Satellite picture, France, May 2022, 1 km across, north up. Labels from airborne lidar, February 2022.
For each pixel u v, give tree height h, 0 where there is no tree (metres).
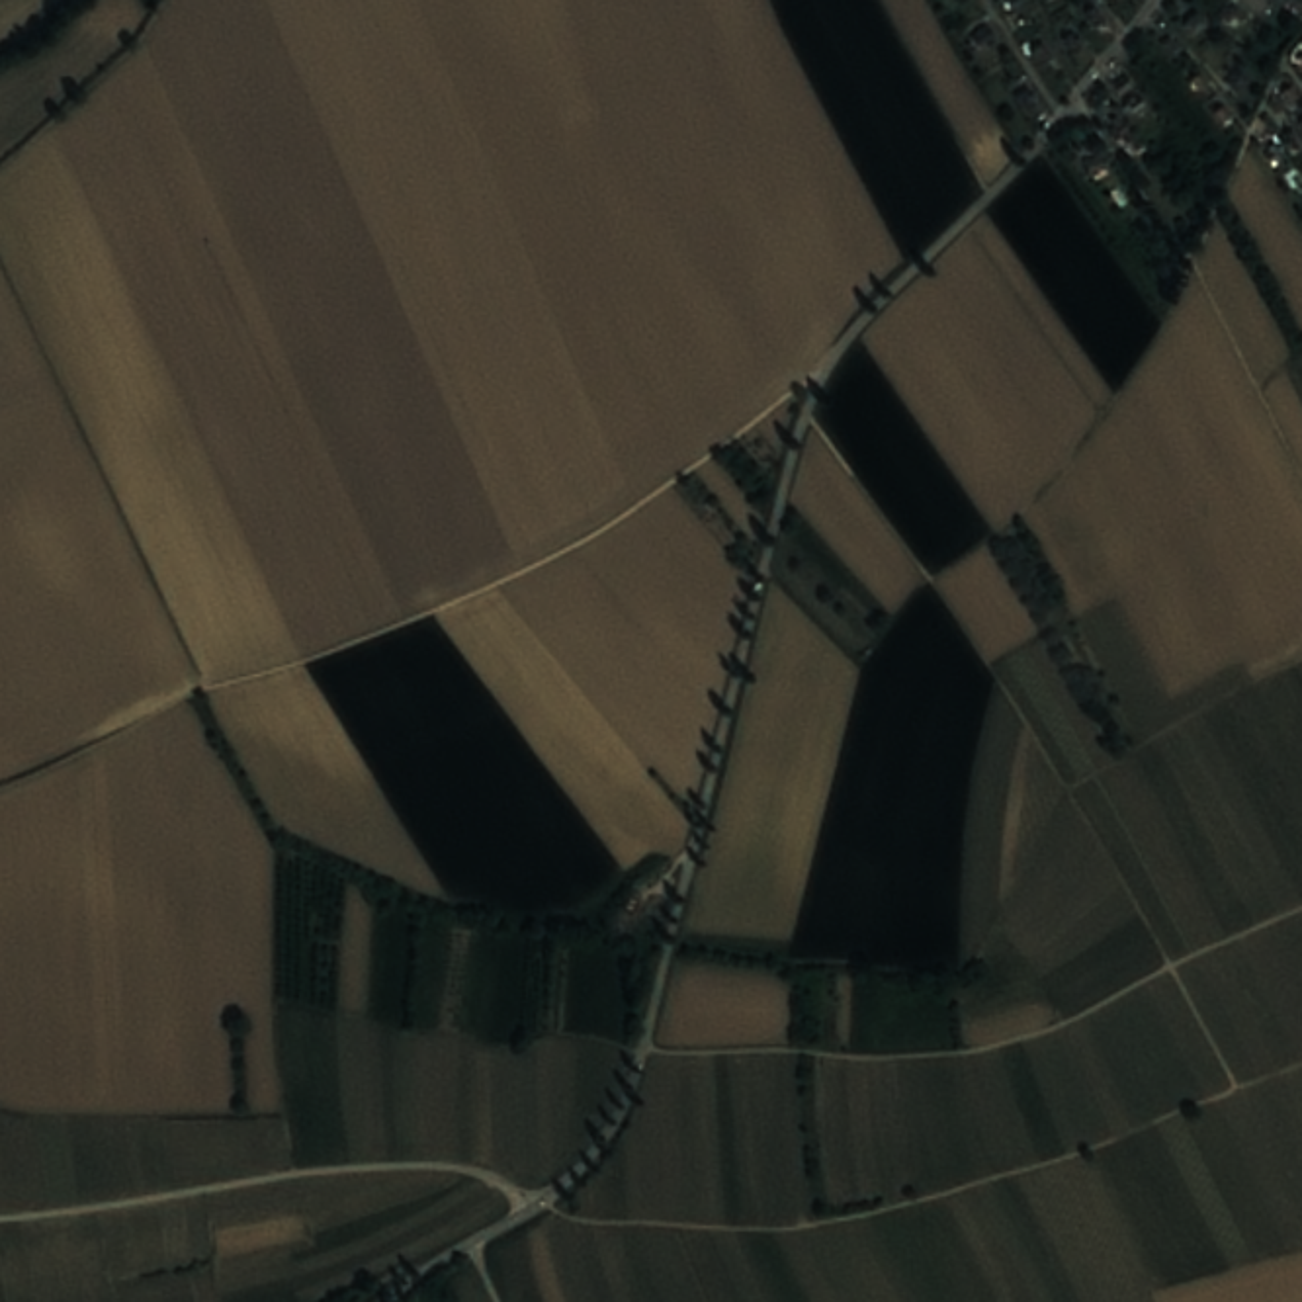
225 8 0
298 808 0
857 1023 0
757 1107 0
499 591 0
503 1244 0
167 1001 0
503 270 0
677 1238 0
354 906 0
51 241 0
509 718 0
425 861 0
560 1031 0
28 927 0
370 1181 0
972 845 0
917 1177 0
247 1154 0
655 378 0
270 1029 0
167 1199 0
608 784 0
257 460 0
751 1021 0
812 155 0
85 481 0
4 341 0
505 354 0
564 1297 0
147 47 0
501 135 0
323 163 0
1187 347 0
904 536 0
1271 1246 0
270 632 0
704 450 0
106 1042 0
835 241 0
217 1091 0
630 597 0
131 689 0
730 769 0
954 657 0
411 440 0
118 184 0
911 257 0
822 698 0
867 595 0
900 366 0
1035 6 0
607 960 0
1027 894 0
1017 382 0
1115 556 0
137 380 0
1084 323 0
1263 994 0
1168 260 11
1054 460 0
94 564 0
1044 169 0
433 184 0
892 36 0
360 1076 0
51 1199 0
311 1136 0
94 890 0
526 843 0
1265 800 0
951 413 0
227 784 0
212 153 0
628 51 0
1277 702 0
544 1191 0
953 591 0
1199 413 0
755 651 0
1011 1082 0
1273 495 0
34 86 0
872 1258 0
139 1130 0
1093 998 0
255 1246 0
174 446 0
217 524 0
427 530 0
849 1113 0
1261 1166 0
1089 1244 0
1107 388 0
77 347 0
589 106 0
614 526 0
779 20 0
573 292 0
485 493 0
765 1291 0
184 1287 0
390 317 0
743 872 0
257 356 0
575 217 0
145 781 0
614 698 0
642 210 0
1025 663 0
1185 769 0
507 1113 0
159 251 0
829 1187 0
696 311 0
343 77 0
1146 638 0
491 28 0
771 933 0
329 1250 0
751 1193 0
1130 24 0
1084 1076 0
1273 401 0
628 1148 0
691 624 0
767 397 0
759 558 0
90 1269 0
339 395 0
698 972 0
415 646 0
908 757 0
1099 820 0
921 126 0
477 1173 0
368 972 0
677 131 0
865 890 0
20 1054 0
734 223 0
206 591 0
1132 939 0
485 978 0
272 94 0
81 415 0
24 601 0
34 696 0
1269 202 0
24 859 0
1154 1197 0
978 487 0
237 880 0
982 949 0
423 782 0
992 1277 0
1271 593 0
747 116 0
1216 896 0
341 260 0
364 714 0
